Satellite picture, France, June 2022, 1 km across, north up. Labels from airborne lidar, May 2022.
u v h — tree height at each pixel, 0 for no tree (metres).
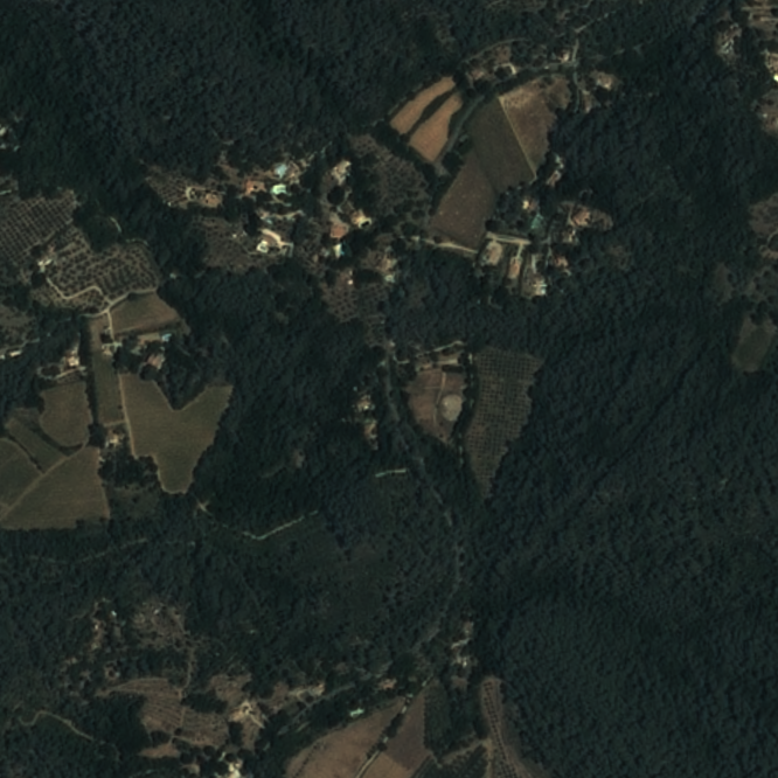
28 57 22
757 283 12
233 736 11
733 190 18
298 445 20
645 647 21
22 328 7
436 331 20
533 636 21
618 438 18
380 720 0
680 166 15
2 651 21
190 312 9
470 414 16
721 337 11
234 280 21
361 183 15
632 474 19
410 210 12
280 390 17
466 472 15
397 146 15
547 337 17
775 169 11
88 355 13
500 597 21
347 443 17
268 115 18
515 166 0
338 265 11
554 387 22
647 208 12
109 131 8
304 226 21
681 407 24
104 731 25
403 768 0
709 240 16
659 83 9
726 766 13
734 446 23
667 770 21
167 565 23
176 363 14
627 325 17
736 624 19
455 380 0
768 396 22
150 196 15
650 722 21
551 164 14
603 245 20
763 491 21
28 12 21
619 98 10
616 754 24
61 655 6
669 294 22
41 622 23
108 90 12
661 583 22
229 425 21
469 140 11
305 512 19
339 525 24
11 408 21
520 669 21
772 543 15
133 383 0
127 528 20
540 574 16
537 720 23
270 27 22
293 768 0
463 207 0
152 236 25
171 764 19
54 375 9
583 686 17
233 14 25
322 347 16
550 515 17
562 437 17
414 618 9
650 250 17
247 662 15
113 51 22
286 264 11
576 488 19
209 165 19
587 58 8
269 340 23
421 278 9
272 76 24
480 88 13
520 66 11
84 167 13
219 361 22
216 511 9
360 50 25
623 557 25
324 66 13
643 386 21
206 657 11
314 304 17
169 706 0
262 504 7
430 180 13
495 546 16
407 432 18
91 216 13
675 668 18
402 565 21
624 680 22
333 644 23
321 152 9
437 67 15
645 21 14
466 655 11
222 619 13
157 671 23
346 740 0
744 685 17
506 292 9
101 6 25
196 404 0
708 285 12
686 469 19
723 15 17
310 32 22
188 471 0
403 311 20
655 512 19
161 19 20
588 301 18
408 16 7
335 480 23
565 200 11
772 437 22
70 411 0
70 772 19
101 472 7
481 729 17
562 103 0
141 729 16
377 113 25
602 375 18
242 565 20
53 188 12
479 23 14
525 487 22
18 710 8
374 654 21
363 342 19
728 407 23
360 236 15
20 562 10
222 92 20
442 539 21
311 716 10
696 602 15
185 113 13
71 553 6
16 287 11
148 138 24
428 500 30
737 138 16
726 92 22
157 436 0
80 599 22
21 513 0
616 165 23
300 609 23
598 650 20
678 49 14
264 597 22
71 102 18
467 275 9
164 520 8
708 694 10
